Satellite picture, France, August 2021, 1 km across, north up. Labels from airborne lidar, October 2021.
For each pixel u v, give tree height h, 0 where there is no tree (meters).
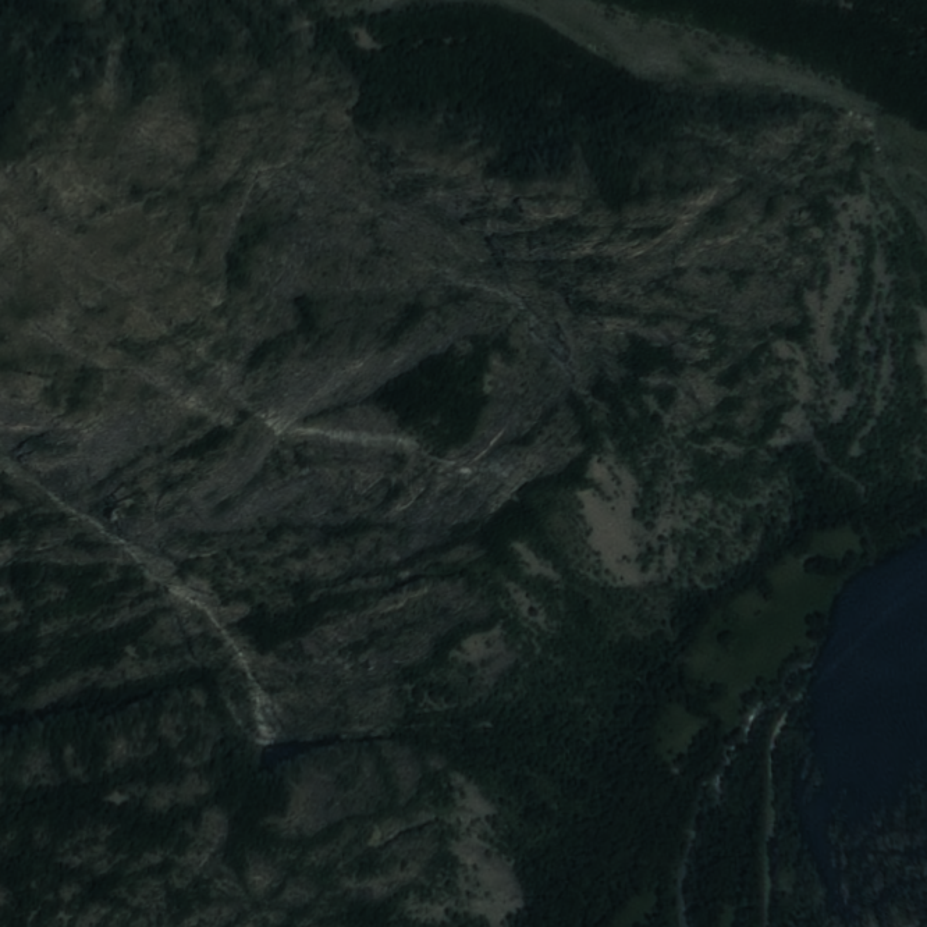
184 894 8
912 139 0
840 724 20
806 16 11
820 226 8
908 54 11
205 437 7
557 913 19
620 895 11
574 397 14
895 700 19
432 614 6
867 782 8
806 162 6
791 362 6
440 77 16
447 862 6
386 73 14
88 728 14
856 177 6
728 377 7
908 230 7
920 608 6
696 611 15
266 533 9
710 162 9
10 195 0
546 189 0
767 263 8
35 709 10
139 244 0
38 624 10
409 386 16
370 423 0
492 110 6
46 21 9
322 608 16
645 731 16
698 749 15
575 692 7
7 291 0
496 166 10
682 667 11
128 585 15
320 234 0
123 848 13
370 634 7
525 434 10
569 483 7
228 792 20
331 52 9
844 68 8
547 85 17
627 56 0
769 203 9
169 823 17
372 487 8
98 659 17
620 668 7
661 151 6
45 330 0
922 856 11
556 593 8
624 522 0
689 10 7
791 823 6
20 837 8
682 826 14
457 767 7
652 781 16
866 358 7
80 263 0
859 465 9
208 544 8
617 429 10
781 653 0
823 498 16
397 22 10
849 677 7
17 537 8
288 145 0
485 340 8
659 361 11
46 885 11
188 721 11
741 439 7
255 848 6
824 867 6
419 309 8
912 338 7
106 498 14
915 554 9
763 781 7
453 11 8
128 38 13
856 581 0
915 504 21
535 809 8
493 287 0
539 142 9
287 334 8
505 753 11
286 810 13
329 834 14
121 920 9
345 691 7
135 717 6
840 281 0
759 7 12
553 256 8
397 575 8
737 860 14
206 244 0
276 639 12
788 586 0
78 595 11
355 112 11
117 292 0
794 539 8
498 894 0
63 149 0
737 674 0
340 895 8
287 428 0
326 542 9
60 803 21
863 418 8
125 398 0
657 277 9
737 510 8
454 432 11
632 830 11
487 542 15
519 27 10
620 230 9
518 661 7
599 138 10
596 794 10
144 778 20
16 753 6
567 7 0
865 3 13
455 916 8
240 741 13
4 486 7
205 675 16
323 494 0
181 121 0
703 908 7
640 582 0
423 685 5
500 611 6
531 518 9
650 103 6
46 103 0
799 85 0
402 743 13
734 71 0
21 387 0
